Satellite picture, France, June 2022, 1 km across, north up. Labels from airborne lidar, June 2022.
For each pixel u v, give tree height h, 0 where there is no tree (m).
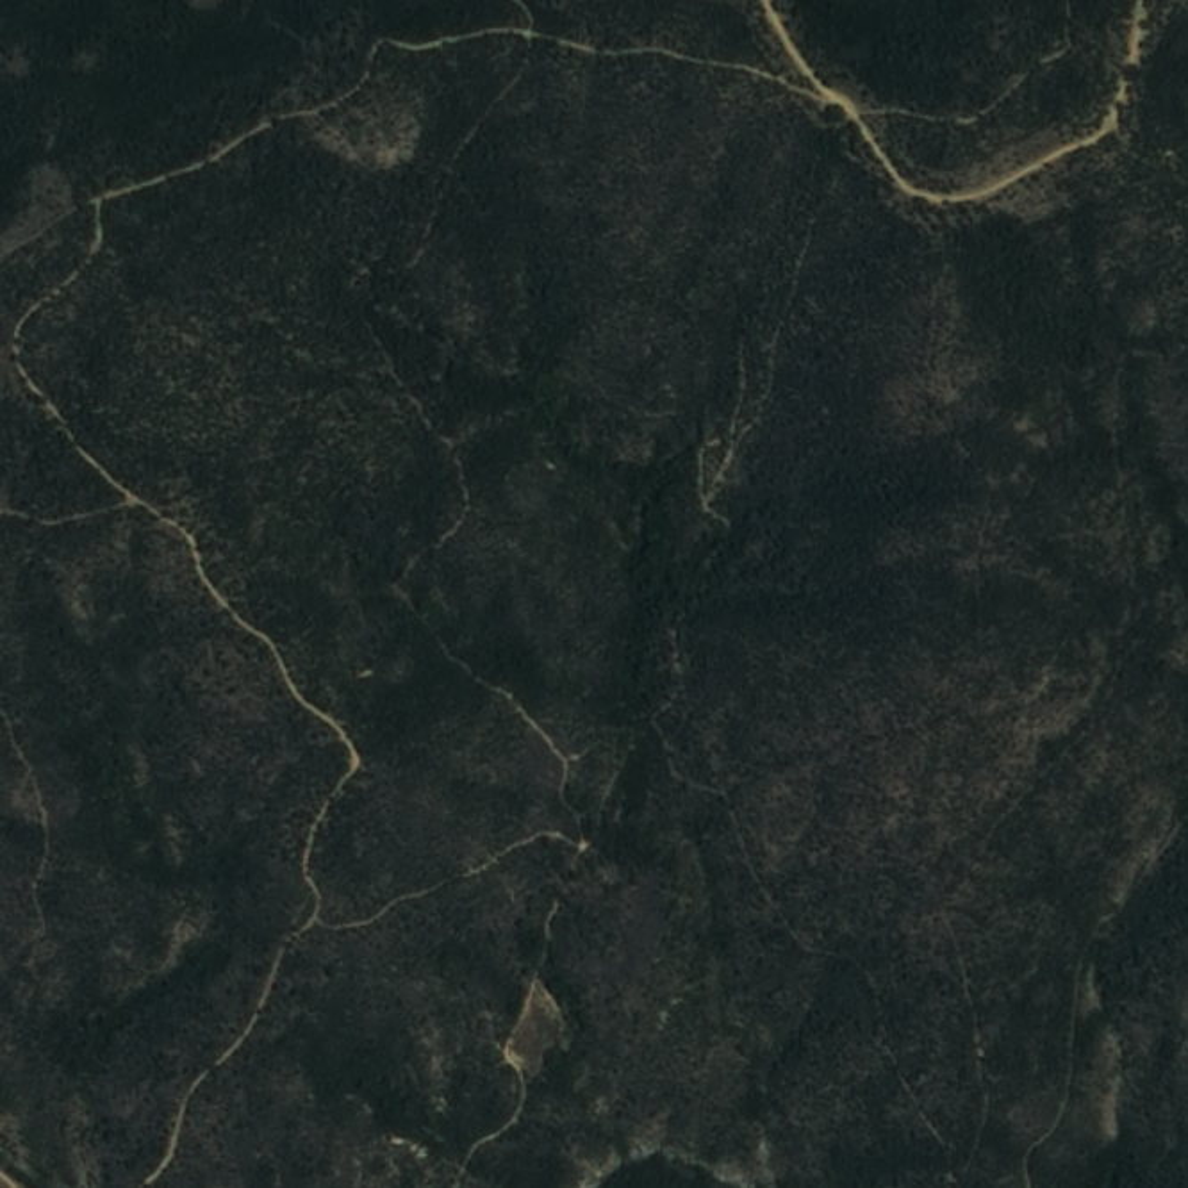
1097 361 8
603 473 9
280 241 7
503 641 7
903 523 8
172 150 10
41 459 9
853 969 8
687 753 10
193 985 7
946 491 6
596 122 7
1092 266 8
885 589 6
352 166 6
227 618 7
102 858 6
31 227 0
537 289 11
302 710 6
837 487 7
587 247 7
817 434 7
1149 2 8
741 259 6
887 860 7
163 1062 6
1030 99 9
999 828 6
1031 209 0
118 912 7
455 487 6
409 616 7
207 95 6
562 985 9
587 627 6
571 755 0
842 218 6
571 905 8
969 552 6
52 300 5
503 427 7
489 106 6
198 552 8
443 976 7
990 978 6
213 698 6
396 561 11
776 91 6
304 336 6
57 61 6
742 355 6
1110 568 7
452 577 8
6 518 6
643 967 0
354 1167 0
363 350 7
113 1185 7
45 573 7
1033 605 6
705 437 6
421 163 12
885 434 6
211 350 7
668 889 7
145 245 8
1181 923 9
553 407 10
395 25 6
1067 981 8
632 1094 6
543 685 8
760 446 6
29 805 0
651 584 13
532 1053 0
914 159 7
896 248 9
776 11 7
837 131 9
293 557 6
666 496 11
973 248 6
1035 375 7
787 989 9
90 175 6
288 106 7
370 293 7
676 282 6
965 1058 6
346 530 10
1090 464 7
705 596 11
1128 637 10
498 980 7
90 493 8
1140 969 12
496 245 7
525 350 10
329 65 7
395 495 7
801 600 10
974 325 7
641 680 9
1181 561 7
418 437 7
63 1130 6
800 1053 6
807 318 7
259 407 6
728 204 7
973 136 6
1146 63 9
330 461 6
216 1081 6
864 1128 6
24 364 7
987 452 6
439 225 10
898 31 6
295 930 9
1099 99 8
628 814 10
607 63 5
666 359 7
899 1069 8
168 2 10
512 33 6
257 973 10
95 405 9
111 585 9
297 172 12
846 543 7
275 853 6
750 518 9
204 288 6
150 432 6
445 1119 6
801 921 8
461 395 9
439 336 19
